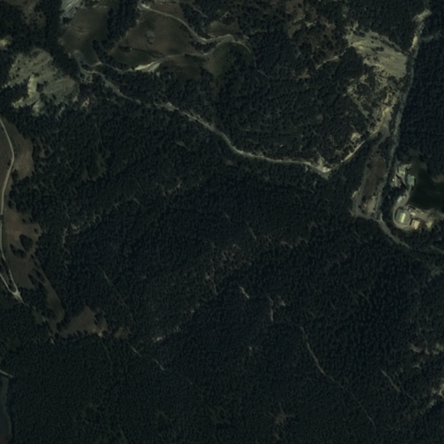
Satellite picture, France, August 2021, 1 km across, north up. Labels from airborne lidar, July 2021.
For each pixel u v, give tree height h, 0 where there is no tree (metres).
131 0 11
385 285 19
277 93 16
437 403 9
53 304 0
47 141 15
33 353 18
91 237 15
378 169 0
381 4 19
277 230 13
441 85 16
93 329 0
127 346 15
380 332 27
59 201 19
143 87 16
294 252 31
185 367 20
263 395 15
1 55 13
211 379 21
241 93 9
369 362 23
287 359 16
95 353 16
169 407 15
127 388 23
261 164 14
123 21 11
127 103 16
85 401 22
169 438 20
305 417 15
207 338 15
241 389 17
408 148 17
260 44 9
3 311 13
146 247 14
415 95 11
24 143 0
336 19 18
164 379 13
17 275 0
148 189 21
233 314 12
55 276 18
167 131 13
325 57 21
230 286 13
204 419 28
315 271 18
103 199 22
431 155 20
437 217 0
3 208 0
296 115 16
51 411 20
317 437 21
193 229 22
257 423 19
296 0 0
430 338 9
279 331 18
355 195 0
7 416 0
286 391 15
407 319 15
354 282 20
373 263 25
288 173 19
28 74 0
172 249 20
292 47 18
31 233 0
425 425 19
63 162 21
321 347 23
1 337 19
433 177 21
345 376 19
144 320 16
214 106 15
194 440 25
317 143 19
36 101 0
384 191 8
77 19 0
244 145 10
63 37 0
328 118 12
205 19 11
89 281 14
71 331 0
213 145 14
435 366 25
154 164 23
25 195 29
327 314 25
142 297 16
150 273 17
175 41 0
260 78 18
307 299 16
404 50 15
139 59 0
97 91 17
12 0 0
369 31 10
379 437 16
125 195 22
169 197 17
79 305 17
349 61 12
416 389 19
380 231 12
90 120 15
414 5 13
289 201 23
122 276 22
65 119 14
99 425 27
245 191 22
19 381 19
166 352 11
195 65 0
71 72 13
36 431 22
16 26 12
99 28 0
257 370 14
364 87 14
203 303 25
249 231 16
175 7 0
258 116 17
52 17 16
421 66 13
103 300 15
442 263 10
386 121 0
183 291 18
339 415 18
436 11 16
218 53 0
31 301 20
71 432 18
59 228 17
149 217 20
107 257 14
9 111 22
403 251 10
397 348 17
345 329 30
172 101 16
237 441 26
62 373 21
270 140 20
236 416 20
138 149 24
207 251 10
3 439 0
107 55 7
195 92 12
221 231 16
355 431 19
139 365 12
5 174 0
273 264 22
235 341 16
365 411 15
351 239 14
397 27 13
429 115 17
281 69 7
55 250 22
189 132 18
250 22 11
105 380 23
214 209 21
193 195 23
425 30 7
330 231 24
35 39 10
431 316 23
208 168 27
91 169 27
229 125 19
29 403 19
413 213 0
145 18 0
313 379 15
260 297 19
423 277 26
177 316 17
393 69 0
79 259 25
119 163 22
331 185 6
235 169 19
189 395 15
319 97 21
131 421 24
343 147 13
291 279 20
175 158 18
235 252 11
